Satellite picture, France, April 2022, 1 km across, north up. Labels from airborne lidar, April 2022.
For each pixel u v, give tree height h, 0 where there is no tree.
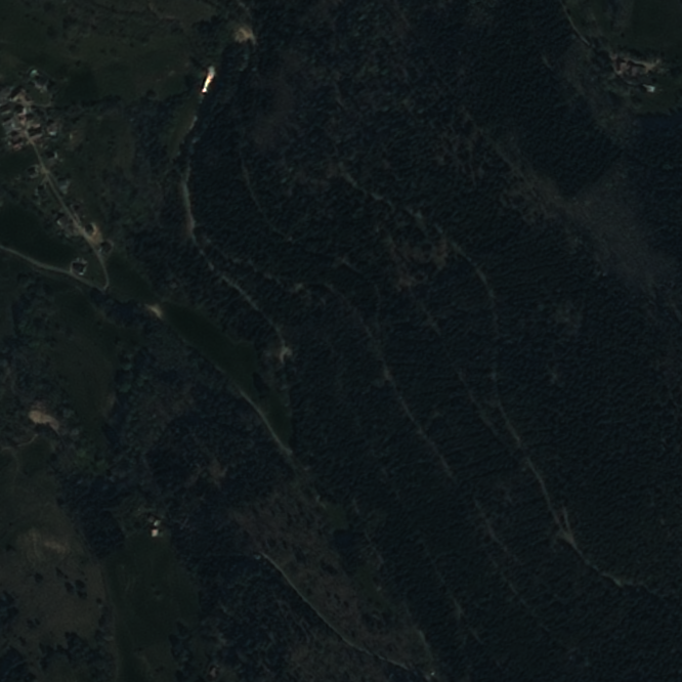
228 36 8
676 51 0
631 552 18
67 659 9
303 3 7
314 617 17
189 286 28
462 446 17
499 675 21
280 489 13
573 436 24
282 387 15
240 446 26
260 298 19
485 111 25
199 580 14
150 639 0
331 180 25
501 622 16
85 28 11
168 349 26
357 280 17
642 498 19
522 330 20
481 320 22
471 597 15
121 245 20
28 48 0
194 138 12
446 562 14
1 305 0
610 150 26
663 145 33
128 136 0
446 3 20
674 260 26
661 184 29
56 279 0
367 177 24
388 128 10
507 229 12
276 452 22
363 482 18
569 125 25
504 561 17
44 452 0
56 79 0
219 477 13
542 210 12
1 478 0
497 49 25
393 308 7
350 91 12
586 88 21
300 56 12
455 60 21
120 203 18
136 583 0
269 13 24
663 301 21
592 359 17
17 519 0
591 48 8
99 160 0
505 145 18
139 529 12
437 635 20
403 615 13
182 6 0
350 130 24
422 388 18
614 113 23
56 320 0
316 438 21
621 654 26
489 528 13
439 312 22
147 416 22
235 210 14
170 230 14
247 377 0
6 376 19
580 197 25
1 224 0
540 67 20
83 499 28
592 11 13
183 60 0
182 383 31
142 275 12
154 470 15
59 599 0
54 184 0
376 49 24
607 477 24
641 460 20
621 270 21
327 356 18
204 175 11
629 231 25
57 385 9
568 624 15
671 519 16
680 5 0
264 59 13
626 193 22
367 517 20
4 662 0
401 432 11
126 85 0
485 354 20
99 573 0
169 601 0
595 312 15
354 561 26
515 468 15
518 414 17
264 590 26
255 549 12
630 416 13
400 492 11
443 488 16
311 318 19
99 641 12
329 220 10
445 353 22
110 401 0
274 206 10
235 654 7
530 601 14
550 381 26
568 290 16
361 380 16
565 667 20
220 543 29
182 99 6
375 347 17
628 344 21
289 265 13
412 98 21
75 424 18
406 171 14
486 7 18
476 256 14
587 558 13
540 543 12
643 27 0
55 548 0
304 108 28
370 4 25
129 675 0
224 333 11
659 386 19
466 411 17
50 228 18
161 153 22
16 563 0
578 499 20
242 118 15
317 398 18
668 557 22
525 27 22
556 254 16
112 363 0
